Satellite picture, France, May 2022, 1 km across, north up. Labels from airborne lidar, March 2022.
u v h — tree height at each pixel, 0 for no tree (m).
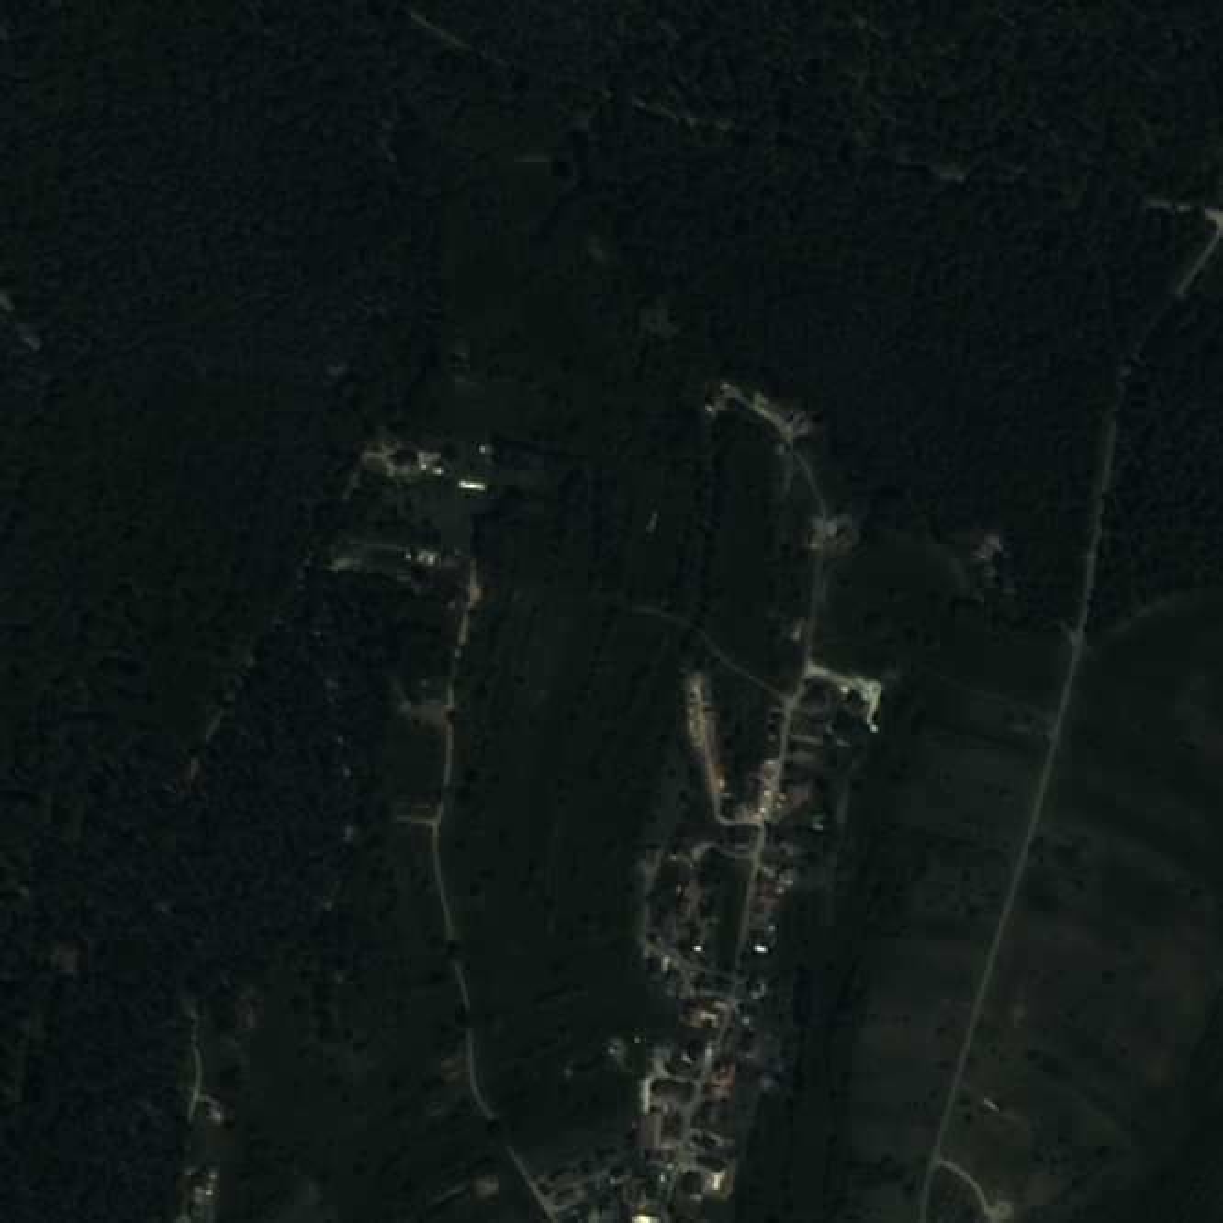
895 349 22
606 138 24
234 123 25
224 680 0
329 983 6
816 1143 0
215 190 28
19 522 23
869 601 0
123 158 29
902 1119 0
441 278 19
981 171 28
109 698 29
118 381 26
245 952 24
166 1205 27
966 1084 0
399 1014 9
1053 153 29
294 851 29
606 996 0
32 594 23
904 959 0
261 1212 9
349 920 18
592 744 0
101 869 27
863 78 0
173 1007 33
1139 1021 0
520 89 26
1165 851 0
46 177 28
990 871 0
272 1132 0
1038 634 10
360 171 24
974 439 19
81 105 30
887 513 23
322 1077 0
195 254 31
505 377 7
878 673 0
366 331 24
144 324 31
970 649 0
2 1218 27
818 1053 0
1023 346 23
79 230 26
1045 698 0
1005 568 19
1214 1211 0
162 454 17
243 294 29
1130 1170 0
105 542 25
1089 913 0
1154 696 0
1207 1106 0
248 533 22
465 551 0
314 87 28
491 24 32
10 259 26
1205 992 0
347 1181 0
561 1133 0
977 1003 0
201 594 23
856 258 19
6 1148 11
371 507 7
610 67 29
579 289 19
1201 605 0
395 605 12
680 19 30
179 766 32
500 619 6
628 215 27
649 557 0
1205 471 26
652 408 0
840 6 32
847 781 0
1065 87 32
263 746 10
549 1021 0
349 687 29
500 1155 0
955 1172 0
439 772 0
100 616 14
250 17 27
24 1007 32
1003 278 25
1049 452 26
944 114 30
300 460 27
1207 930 0
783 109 28
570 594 0
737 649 0
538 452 15
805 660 0
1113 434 0
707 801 0
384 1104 0
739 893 0
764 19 31
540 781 0
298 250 29
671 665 0
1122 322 30
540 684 0
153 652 18
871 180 27
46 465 23
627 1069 0
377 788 13
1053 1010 0
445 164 14
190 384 24
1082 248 27
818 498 0
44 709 25
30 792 19
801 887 0
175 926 9
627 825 0
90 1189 30
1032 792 0
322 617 32
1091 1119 0
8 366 22
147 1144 33
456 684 8
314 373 25
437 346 17
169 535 20
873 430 22
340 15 27
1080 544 21
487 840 0
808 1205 0
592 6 32
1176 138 30
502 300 0
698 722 0
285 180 28
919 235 28
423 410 18
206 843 7
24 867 25
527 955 0
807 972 11
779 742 0
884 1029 0
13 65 29
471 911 0
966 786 0
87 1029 34
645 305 12
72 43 24
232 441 22
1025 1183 0
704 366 9
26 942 28
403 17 28
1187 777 0
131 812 28
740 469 0
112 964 11
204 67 27
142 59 30
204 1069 0
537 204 0
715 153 26
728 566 0
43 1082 30
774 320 21
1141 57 33
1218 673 0
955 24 30
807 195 31
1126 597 18
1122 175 28
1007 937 0
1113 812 0
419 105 17
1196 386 27
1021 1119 0
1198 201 13
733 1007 0
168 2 24
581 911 0
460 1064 0
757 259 23
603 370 9
